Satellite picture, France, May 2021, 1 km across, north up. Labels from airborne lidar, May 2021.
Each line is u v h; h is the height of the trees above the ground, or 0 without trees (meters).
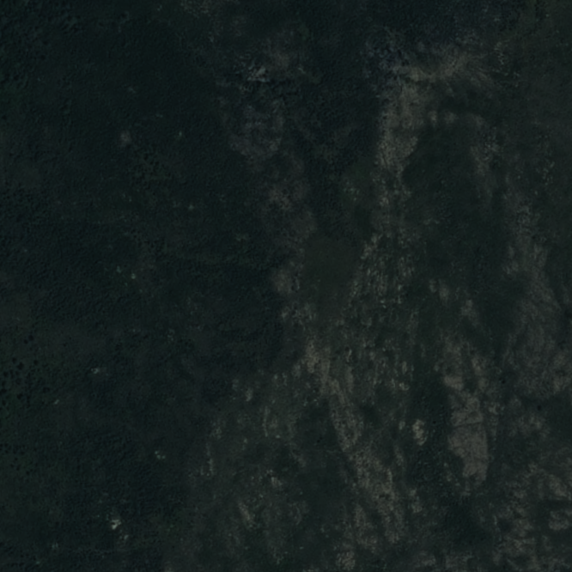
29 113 7
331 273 0
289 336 0
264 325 6
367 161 0
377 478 0
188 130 8
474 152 0
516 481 0
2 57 13
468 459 0
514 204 0
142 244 6
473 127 0
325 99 8
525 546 0
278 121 0
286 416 0
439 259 7
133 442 8
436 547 7
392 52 14
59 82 6
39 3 19
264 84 18
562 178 0
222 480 0
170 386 6
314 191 6
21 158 10
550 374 0
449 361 0
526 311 0
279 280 0
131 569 10
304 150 7
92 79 6
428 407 9
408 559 0
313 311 0
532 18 0
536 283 0
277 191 0
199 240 6
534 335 0
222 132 7
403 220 0
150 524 6
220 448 0
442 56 0
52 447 7
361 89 7
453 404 0
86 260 6
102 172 6
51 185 7
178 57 5
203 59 9
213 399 9
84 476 6
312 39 8
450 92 0
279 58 0
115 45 7
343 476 0
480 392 0
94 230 7
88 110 7
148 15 7
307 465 0
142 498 6
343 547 0
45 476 6
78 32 19
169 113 6
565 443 0
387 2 6
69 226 6
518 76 6
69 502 6
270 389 0
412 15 6
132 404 6
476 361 0
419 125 0
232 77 8
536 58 6
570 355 0
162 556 6
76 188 8
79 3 6
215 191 7
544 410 12
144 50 7
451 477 0
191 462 0
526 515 0
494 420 0
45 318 7
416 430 0
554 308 0
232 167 7
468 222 7
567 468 0
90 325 7
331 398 0
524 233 0
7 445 10
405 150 0
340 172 6
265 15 8
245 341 8
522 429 0
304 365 0
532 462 0
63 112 12
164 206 6
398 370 0
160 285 6
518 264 0
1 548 11
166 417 6
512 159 0
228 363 6
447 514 7
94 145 5
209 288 7
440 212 6
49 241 6
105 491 8
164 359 8
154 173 7
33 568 9
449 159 6
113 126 5
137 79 6
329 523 0
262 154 0
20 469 10
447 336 0
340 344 0
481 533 6
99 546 7
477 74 0
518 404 0
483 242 6
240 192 5
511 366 0
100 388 6
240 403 0
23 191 9
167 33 7
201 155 5
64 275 8
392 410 0
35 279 8
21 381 23
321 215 8
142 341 6
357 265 0
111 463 6
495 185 0
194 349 9
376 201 0
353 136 6
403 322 0
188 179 6
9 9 12
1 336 7
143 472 9
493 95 0
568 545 0
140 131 6
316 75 7
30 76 8
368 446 0
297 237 0
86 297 9
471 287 7
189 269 8
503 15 6
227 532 0
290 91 20
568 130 0
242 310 6
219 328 6
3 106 6
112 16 8
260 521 7
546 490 0
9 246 11
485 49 0
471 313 0
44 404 10
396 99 0
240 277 6
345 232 6
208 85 6
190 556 0
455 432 0
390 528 0
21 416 8
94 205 6
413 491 0
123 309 7
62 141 7
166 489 8
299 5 6
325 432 0
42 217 7
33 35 19
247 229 6
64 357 6
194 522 6
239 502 0
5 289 7
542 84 0
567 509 0
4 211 10
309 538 0
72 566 7
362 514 0
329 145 8
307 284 0
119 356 7
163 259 9
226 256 7
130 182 8
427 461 7
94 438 9
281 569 6
